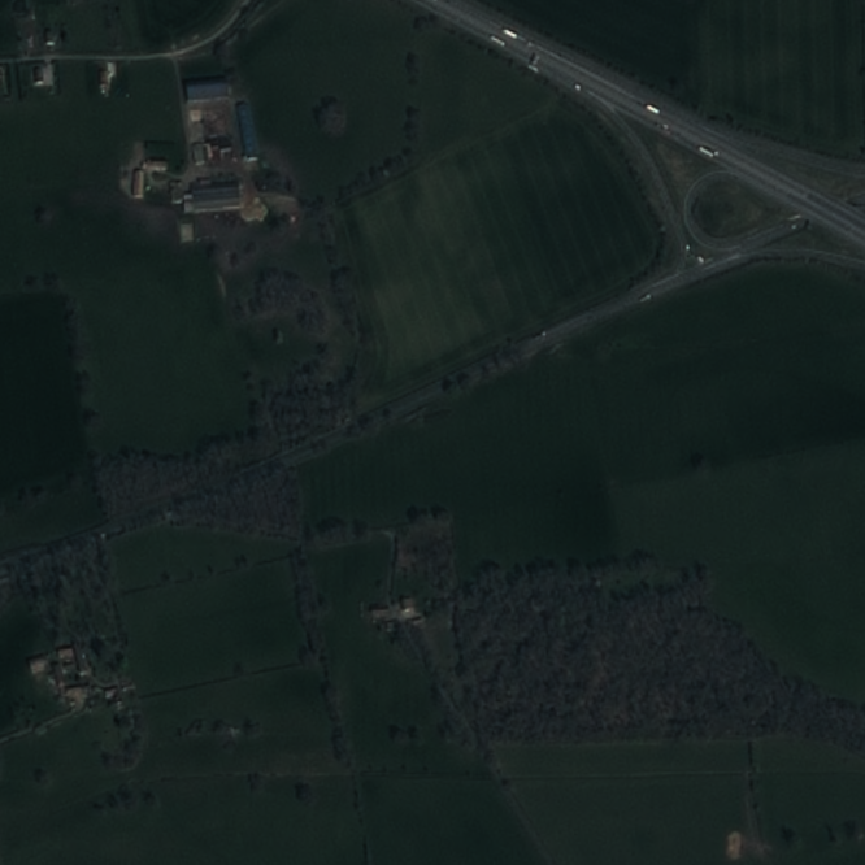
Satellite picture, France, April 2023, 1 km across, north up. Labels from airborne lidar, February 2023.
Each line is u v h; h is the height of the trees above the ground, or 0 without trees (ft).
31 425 0
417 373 0
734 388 0
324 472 0
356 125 0
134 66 0
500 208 0
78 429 0
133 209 0
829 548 0
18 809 0
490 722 54
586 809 0
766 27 0
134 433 0
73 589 91
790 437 0
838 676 0
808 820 0
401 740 69
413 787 0
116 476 67
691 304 0
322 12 0
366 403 0
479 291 0
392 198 0
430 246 0
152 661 0
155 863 0
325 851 0
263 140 0
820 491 0
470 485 0
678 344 0
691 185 0
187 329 0
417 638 72
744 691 73
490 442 0
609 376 0
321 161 0
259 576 0
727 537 0
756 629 0
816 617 0
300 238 0
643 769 0
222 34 0
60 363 0
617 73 30
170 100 0
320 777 0
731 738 40
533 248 0
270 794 0
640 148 0
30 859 0
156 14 0
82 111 0
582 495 0
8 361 0
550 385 0
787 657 0
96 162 0
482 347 0
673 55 0
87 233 0
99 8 0
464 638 44
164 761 0
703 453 0
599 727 56
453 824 0
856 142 0
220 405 0
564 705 70
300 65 0
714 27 0
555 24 0
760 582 0
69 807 0
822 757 0
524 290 0
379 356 0
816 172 0
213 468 67
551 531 0
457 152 0
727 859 0
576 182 0
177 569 0
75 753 0
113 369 0
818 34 0
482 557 0
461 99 0
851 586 0
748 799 0
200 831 0
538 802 0
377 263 0
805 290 0
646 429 0
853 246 0
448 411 0
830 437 0
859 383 0
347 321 47
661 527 0
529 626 81
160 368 0
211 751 0
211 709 0
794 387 0
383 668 0
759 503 0
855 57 0
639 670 56
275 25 0
